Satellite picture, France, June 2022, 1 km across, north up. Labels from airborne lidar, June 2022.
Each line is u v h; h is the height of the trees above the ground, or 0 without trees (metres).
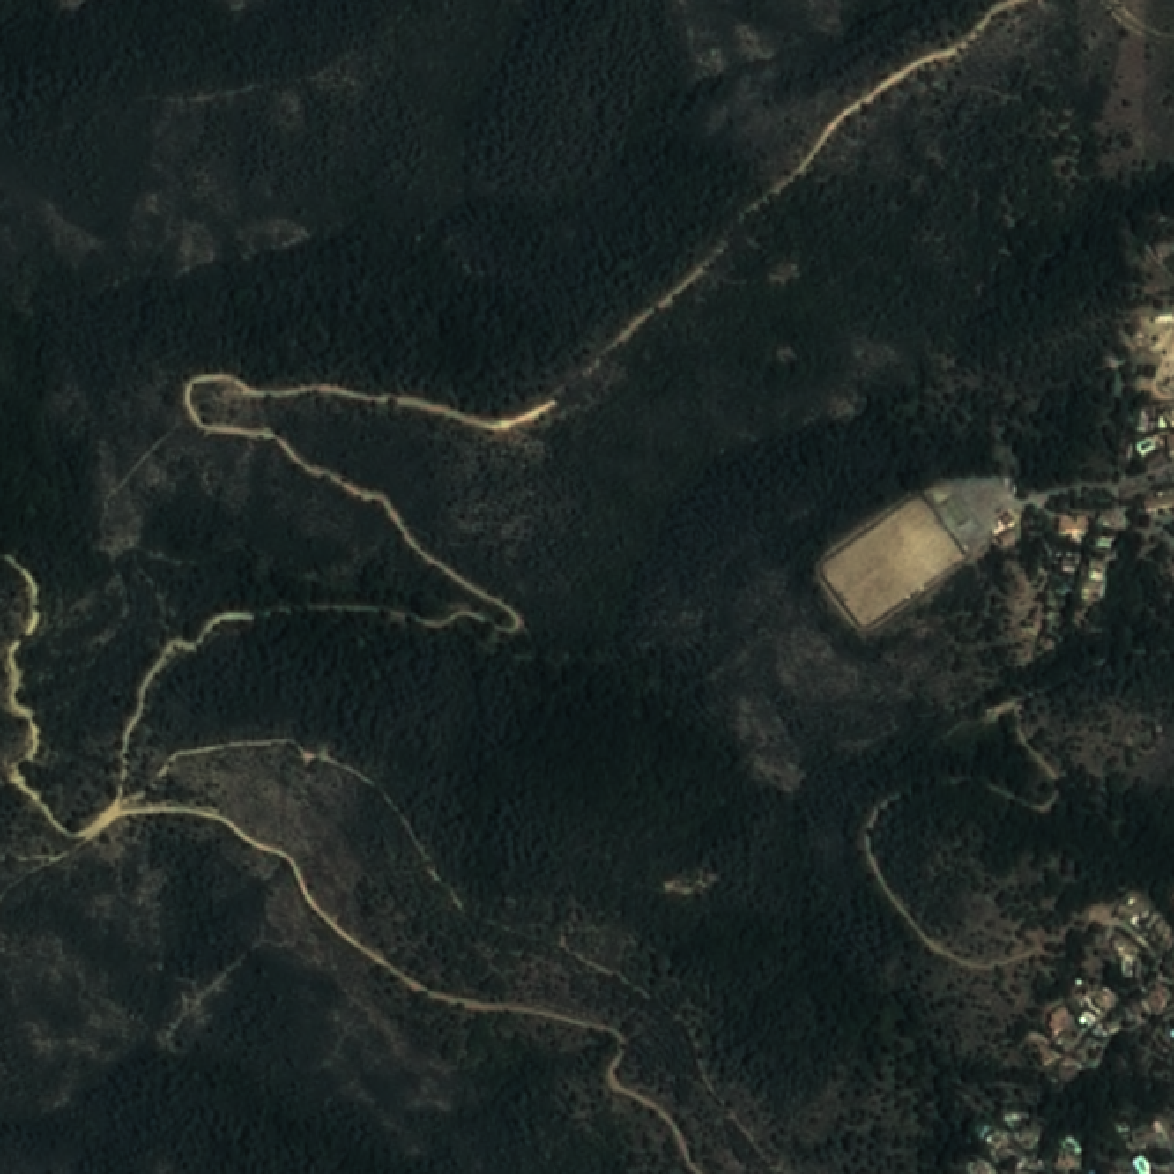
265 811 0
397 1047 0
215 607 12
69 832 10
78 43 7
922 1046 9
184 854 11
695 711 16
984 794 16
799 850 7
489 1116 8
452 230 14
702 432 8
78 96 14
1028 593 0
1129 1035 13
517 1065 6
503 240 15
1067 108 9
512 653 9
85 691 7
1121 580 7
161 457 6
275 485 7
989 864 12
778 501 15
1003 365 7
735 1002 14
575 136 12
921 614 8
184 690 12
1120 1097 12
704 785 12
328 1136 13
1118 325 5
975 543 0
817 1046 16
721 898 14
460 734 6
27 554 16
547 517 9
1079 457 15
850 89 11
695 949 12
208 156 11
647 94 5
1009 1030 7
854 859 5
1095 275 13
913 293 11
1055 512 9
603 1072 6
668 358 6
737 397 6
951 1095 13
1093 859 11
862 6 6
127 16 12
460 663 17
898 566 0
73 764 7
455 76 11
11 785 12
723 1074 11
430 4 6
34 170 6
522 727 15
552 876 9
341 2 19
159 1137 11
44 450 15
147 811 0
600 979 8
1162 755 0
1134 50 0
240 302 14
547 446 6
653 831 10
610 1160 9
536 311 18
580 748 23
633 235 16
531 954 9
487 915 8
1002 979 7
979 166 15
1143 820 10
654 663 7
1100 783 10
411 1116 6
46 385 10
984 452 9
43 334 12
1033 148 10
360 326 9
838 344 7
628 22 12
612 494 10
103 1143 10
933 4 15
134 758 6
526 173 11
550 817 9
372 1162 15
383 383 15
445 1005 9
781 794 12
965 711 6
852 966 14
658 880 8
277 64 8
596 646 10
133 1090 13
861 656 7
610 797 15
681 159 11
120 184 6
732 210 7
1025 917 7
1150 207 18
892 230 7
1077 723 7
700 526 15
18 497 16
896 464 13
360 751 12
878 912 16
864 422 13
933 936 6
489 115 7
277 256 8
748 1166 6
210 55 5
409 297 15
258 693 12
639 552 9
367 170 6
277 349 10
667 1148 7
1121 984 10
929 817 17
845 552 0
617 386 7
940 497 0
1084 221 17
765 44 0
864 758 10
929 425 14
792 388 6
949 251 8
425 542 8
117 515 0
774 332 14
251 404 0
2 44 12
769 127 0
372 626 7
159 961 7
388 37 8
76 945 10
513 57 6
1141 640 15
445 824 7
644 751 17
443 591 9
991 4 9
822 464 8
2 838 10
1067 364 11
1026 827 17
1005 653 8
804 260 6
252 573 13
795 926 15
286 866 6
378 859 6
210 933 6
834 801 13
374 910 8
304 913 0
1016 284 16
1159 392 0
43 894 8
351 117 10
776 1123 8
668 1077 6
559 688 17
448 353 18
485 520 9
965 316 8
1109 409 9
